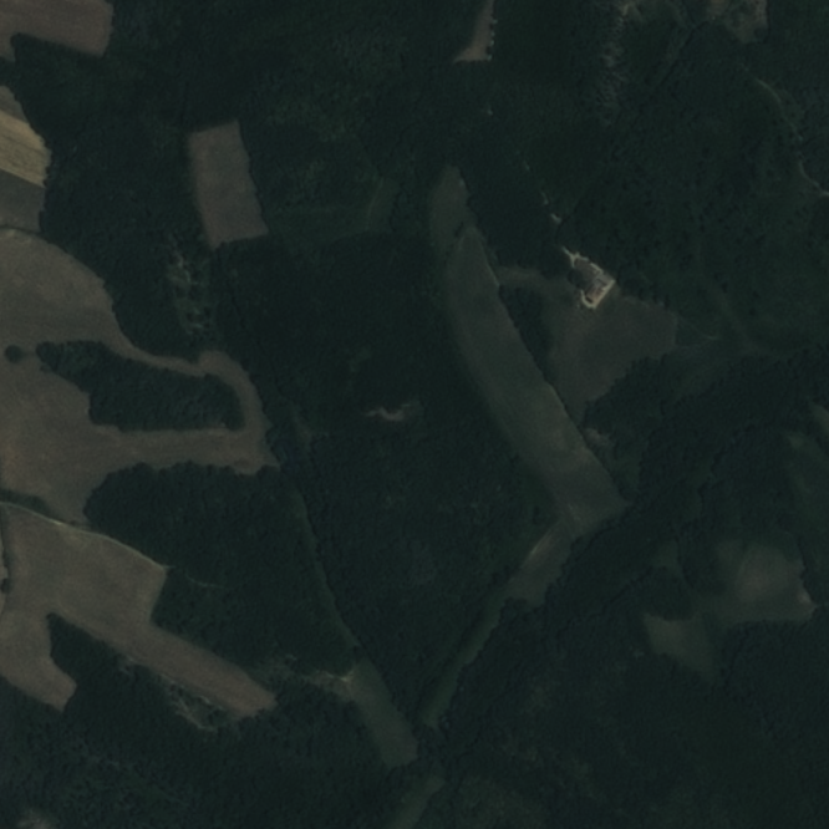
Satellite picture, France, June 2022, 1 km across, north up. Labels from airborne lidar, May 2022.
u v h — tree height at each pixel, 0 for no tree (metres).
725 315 0
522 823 15
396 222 20
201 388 23
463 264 0
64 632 16
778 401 20
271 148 17
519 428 0
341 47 20
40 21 0
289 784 9
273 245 9
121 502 17
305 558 27
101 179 29
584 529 0
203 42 10
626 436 9
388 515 21
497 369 0
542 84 17
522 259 18
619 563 17
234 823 11
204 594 13
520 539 12
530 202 15
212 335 22
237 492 24
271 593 20
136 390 21
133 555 0
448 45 9
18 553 0
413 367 13
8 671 0
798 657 12
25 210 0
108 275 16
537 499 0
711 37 17
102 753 19
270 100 22
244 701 0
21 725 7
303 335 11
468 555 22
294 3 8
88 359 21
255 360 8
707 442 19
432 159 16
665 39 11
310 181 17
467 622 11
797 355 9
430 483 18
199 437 0
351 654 19
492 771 23
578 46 19
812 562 14
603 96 19
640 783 20
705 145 7
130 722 12
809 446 0
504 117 16
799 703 15
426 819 8
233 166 0
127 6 16
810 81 11
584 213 11
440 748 13
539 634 11
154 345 18
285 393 15
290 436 17
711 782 11
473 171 18
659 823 19
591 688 14
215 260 9
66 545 0
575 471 0
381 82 12
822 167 15
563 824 21
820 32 16
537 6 10
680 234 8
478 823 13
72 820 17
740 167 9
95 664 8
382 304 13
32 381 0
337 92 13
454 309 0
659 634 0
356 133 15
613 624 14
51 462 0
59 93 11
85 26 0
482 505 18
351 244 9
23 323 0
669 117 11
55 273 0
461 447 16
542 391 0
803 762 9
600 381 0
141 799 22
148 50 6
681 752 13
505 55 9
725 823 16
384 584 19
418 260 12
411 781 12
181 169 12
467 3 8
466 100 15
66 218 20
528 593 0
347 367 14
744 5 6
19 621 0
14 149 0
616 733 15
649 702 15
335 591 20
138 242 24
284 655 17
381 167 16
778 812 12
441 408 12
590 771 18
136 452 0
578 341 0
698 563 6
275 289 11
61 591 0
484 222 18
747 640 19
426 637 18
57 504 0
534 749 20
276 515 27
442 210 0
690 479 13
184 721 14
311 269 11
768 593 0
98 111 9
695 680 12
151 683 18
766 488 10
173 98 11
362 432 9
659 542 11
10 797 15
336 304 10
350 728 29
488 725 19
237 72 11
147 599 0
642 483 7
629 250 8
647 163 8
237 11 8
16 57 8
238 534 23
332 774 16
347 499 22
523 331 16
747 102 8
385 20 11
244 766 8
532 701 17
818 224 8
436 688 13
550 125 17
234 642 15
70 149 16
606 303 0
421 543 14
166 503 21
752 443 24
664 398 21
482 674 17
